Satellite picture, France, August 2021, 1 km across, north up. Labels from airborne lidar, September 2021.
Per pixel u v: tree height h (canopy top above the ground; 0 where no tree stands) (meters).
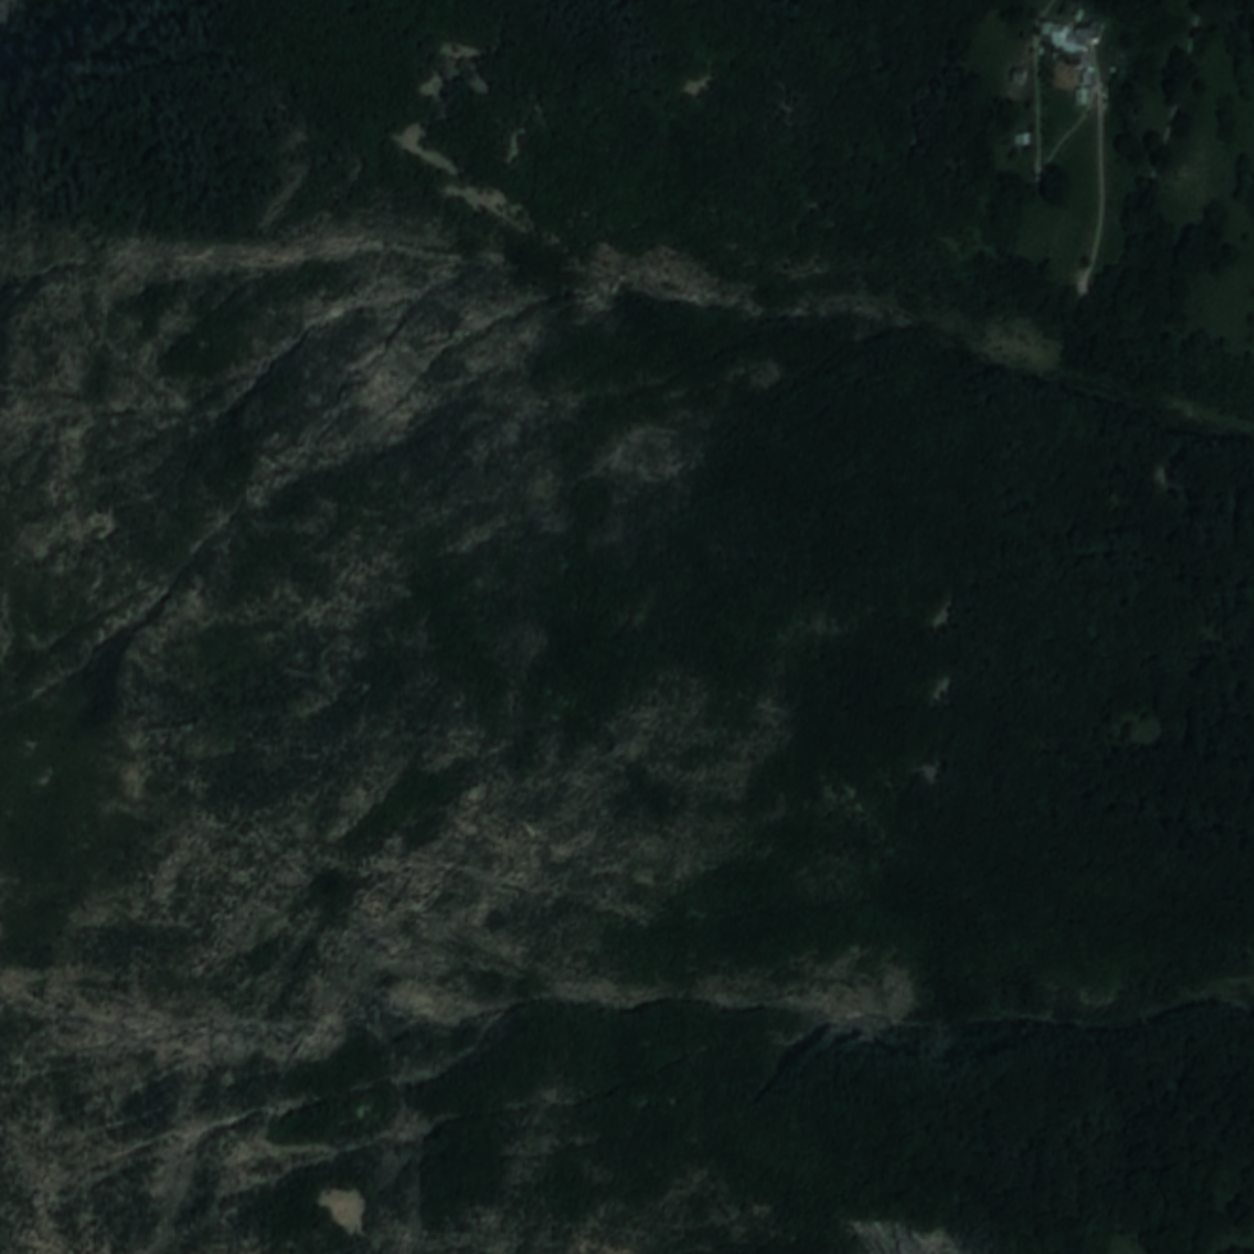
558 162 12
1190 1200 27
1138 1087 20
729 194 13
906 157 18
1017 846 18
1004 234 10
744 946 9
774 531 12
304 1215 10
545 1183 9
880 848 12
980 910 7
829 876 6
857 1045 7
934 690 7
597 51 20
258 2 20
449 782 6
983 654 17
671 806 7
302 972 8
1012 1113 25
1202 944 13
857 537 20
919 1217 10
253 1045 0
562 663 10
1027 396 28
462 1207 7
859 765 13
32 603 0
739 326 9
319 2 19
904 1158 21
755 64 14
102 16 11
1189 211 0
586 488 6
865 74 20
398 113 18
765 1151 9
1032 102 11
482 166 11
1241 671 20
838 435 13
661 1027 7
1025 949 11
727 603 13
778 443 8
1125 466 27
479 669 10
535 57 16
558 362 7
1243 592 18
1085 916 17
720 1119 11
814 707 13
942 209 25
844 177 17
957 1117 13
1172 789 30
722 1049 9
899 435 19
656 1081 11
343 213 7
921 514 21
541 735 6
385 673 7
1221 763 29
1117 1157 14
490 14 18
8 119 7
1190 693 22
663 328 13
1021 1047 32
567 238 7
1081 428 28
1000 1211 15
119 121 17
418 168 13
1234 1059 11
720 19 16
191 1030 0
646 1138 11
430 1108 10
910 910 21
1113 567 31
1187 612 21
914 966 6
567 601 7
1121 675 28
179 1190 0
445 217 7
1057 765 25
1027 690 22
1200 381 15
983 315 9
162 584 0
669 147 11
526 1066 7
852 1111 26
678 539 8
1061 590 28
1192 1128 16
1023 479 20
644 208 10
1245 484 22
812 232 15
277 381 9
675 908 7
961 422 20
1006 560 24
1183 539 26
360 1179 7
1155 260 21
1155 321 8
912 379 14
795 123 11
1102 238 0
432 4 19
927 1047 7
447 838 10
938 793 14
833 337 11
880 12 29
